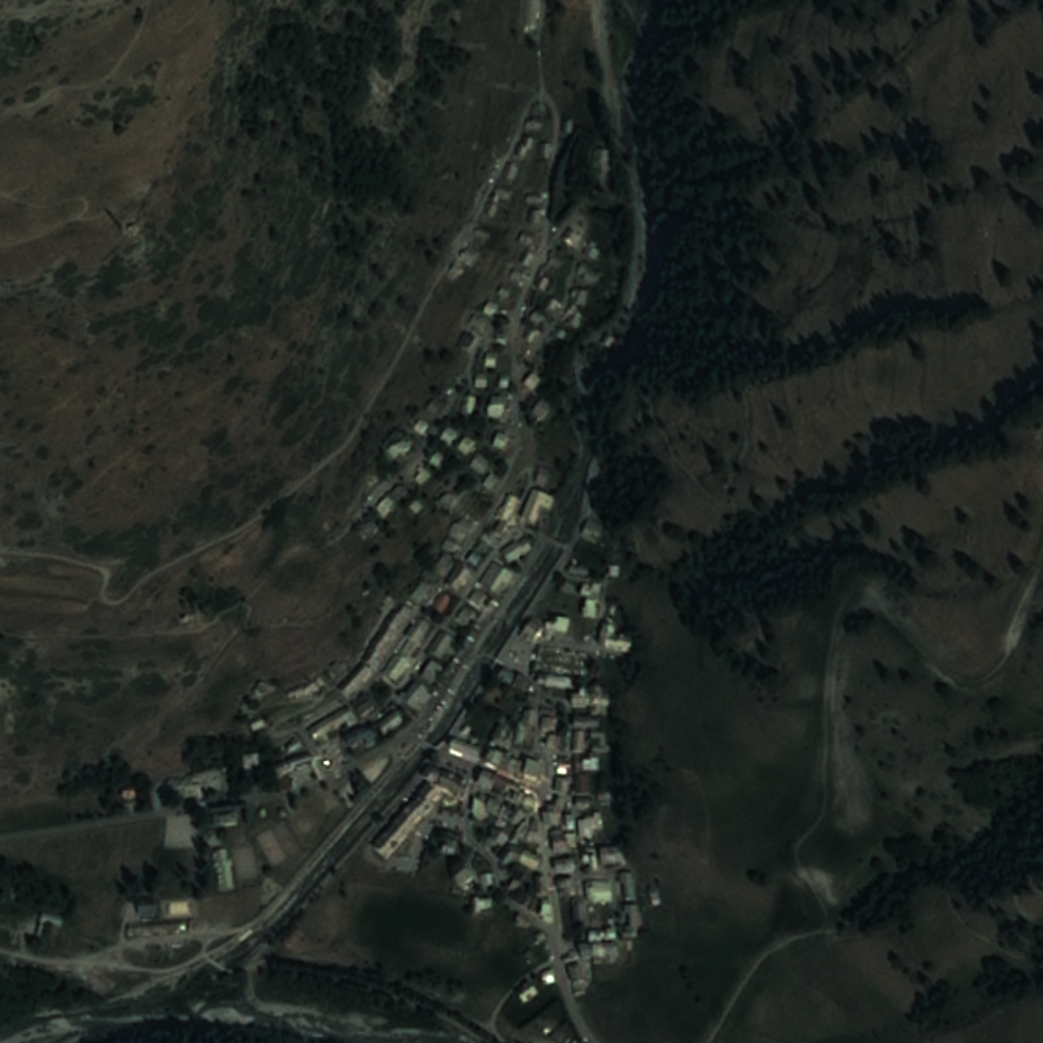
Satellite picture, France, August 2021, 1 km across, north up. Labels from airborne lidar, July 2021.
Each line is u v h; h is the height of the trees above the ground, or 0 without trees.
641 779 10
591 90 0
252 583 0
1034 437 0
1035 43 0
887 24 0
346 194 19
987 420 0
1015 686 0
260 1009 0
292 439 0
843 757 0
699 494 0
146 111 0
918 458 19
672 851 0
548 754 0
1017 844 13
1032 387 22
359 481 0
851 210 0
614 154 23
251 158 0
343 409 0
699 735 0
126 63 0
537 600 0
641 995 0
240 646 0
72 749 0
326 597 0
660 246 10
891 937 0
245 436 0
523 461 0
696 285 30
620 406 17
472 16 0
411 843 0
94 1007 12
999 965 17
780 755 0
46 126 0
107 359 0
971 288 0
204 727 0
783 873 0
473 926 0
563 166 15
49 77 0
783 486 18
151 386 0
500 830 0
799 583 28
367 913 0
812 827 0
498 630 0
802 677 0
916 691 0
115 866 0
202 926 0
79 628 0
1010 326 0
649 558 0
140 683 0
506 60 0
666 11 22
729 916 0
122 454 0
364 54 23
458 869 17
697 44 14
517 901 12
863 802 0
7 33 0
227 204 0
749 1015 0
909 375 0
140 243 0
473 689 0
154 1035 17
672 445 0
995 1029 0
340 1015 0
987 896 10
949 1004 12
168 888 0
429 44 19
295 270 0
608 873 0
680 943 0
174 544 0
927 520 0
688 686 0
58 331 0
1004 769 17
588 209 0
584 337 11
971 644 0
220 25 0
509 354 0
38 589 0
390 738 10
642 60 15
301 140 21
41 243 0
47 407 0
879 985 0
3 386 0
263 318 0
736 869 0
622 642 0
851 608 0
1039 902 0
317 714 0
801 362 13
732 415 0
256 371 0
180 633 0
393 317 0
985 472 0
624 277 11
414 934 0
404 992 11
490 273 0
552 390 25
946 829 10
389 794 0
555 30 7
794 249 0
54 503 0
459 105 0
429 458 13
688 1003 0
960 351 0
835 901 0
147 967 0
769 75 0
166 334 0
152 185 0
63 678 0
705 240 22
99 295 0
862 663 0
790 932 0
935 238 0
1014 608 0
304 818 0
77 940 0
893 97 12
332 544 0
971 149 0
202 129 0
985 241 0
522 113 0
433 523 0
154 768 0
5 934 0
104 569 0
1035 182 0
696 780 0
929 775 0
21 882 12
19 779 0
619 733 9
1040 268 0
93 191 0
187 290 0
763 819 0
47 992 11
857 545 6
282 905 0
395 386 0
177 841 0
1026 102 0
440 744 0
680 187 22
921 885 13
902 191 0
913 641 0
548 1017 0
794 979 0
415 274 0
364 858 0
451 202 0
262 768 16
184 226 0
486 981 0
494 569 0
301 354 0
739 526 10
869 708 0
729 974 0
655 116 23
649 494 12
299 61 25
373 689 7
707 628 12
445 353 12
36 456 0
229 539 0
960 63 0
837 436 0
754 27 0
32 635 0
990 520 0
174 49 0
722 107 0
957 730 0
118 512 0
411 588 11
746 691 0
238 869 0
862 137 0
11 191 0
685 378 25
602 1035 0
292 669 0
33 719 0
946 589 0
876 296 0
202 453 0
